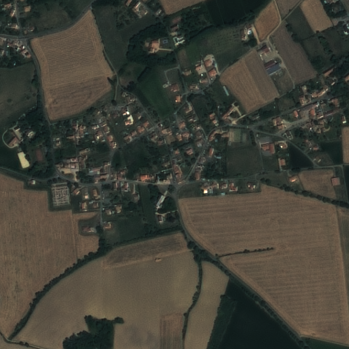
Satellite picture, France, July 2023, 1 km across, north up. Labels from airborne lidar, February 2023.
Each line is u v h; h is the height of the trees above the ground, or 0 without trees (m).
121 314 0
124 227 0
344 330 0
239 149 0
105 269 0
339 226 0
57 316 0
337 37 0
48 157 17
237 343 0
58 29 0
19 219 0
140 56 20
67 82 0
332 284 0
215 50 0
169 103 0
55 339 0
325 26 0
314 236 0
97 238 0
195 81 0
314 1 0
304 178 0
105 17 0
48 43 0
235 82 0
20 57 0
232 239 0
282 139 0
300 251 0
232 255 0
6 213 0
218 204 0
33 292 0
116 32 0
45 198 0
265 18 0
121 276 0
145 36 18
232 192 0
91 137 0
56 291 0
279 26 0
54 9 0
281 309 0
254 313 0
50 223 0
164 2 0
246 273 0
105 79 0
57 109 0
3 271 0
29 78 0
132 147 0
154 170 0
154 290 0
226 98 0
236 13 0
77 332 0
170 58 18
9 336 0
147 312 0
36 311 0
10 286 0
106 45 0
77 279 0
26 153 14
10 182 0
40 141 26
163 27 15
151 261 0
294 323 0
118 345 0
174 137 0
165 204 13
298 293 0
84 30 0
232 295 0
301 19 0
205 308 0
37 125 22
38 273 0
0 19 0
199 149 0
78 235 0
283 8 0
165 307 0
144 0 0
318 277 0
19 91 0
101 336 6
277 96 0
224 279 0
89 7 0
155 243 0
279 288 0
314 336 0
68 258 0
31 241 0
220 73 0
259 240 0
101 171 7
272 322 0
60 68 0
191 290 0
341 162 0
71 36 0
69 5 0
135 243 0
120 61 0
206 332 0
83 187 0
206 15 8
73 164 0
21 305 0
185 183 0
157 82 0
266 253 0
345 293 0
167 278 0
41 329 0
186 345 0
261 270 0
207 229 0
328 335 0
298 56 0
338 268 0
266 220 0
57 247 0
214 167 10
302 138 13
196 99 0
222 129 0
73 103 0
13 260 0
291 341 0
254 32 0
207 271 0
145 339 0
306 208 0
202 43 0
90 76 0
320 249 0
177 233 0
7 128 0
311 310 0
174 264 0
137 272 0
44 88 0
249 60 0
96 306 0
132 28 0
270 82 0
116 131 0
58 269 0
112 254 0
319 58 10
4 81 0
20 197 0
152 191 10
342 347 0
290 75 0
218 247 0
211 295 0
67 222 0
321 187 0
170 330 0
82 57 0
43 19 0
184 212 0
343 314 0
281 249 0
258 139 0
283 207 0
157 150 8
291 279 0
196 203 0
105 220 0
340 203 10
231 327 0
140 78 12
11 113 0
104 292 0
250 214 0
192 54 0
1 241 0
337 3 8
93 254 14
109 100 0
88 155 0
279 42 0
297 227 0
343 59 18
